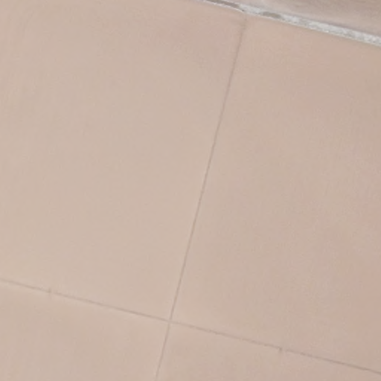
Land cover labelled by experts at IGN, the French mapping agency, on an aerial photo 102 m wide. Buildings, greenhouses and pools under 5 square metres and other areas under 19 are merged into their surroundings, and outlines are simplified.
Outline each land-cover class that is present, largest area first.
<instances>
[{"label":"water","instance_id":"1","mask_svg":"<svg viewBox=\"0 0 381 381\"><path fill-rule=\"evenodd\" d=\"M0 381H381V0H0Z\"/></svg>","mask_w":381,"mask_h":381}]
</instances>
